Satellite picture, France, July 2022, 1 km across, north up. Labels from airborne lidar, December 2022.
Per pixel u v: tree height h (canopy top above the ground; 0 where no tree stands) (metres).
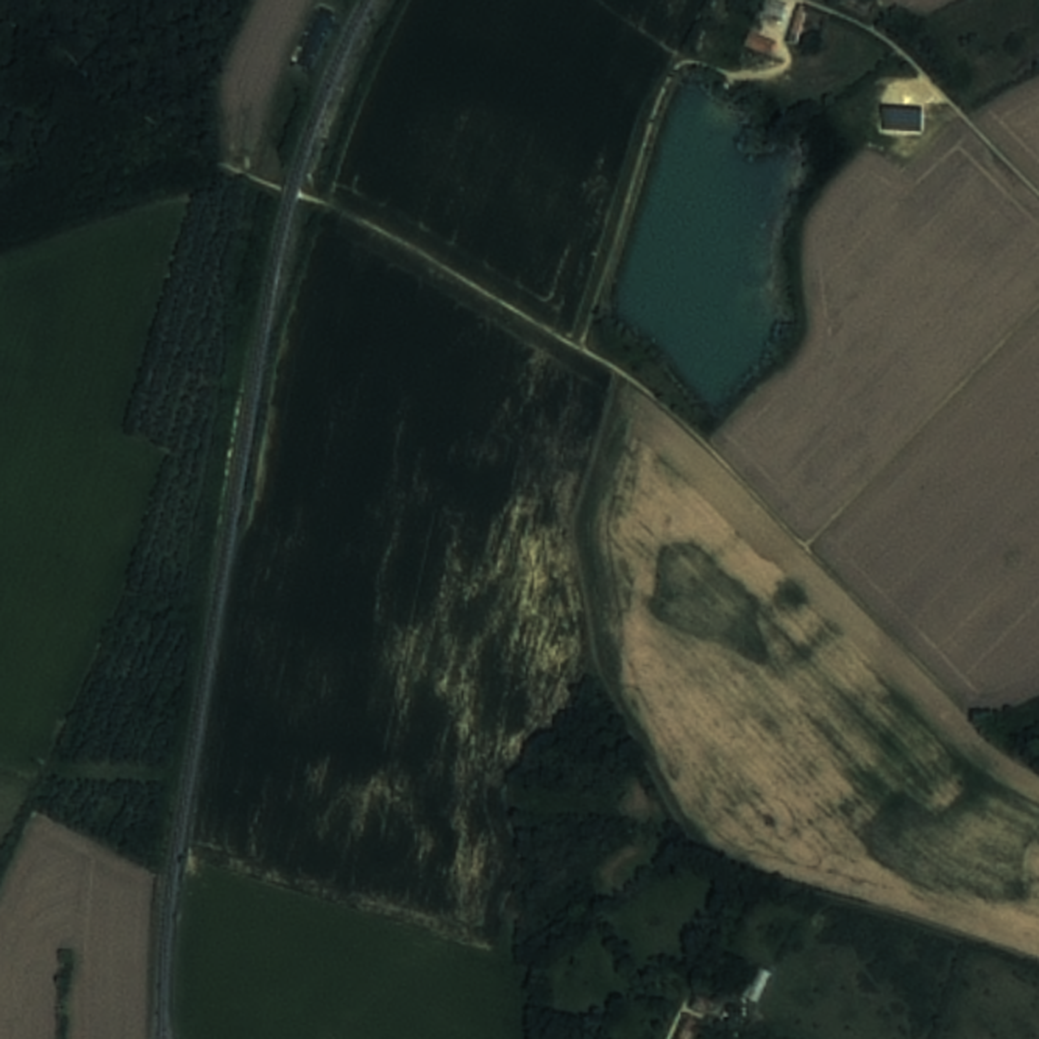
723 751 0
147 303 0
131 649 13
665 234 0
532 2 0
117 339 0
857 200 0
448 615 0
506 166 0
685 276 0
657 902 0
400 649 0
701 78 15
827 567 0
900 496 0
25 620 0
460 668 0
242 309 10
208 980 0
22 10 23
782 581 0
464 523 0
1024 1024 0
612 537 0
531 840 25
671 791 0
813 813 0
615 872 0
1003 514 0
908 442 0
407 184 0
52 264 0
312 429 0
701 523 0
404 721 0
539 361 0
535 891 18
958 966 8
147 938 0
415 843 0
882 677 0
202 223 11
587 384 0
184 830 0
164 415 9
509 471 0
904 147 0
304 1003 0
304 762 0
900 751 0
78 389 0
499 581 0
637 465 0
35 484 0
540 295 0
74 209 7
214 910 0
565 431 0
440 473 0
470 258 0
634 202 0
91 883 0
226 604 0
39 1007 0
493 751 0
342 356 0
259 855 0
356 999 0
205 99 18
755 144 22
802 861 0
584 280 0
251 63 0
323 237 0
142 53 25
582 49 0
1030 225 0
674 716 0
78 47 20
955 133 0
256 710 0
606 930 16
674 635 0
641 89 0
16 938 0
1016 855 0
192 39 22
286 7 0
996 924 0
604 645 0
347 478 0
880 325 0
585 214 0
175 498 10
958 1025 0
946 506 0
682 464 0
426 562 0
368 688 0
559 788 12
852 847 0
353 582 0
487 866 0
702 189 0
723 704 0
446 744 0
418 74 0
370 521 0
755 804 0
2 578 0
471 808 0
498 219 0
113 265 0
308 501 0
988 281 0
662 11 0
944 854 0
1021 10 0
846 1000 0
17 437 0
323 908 0
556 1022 23
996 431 0
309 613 0
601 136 0
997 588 0
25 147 22
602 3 0
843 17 7
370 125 0
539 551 0
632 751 25
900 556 0
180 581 13
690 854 31
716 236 0
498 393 0
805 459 0
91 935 0
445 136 0
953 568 0
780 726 0
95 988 0
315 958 0
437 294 0
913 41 6
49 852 0
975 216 0
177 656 15
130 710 13
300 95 7
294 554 0
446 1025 0
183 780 0
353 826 0
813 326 0
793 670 0
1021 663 0
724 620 0
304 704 0
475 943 0
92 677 8
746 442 0
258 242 9
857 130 0
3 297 0
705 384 0
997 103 0
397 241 0
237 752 0
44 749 0
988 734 29
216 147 15
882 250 0
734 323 0
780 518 0
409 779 0
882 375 0
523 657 0
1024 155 0
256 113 0
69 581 0
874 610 0
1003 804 0
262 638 0
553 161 0
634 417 0
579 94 0
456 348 0
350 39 0
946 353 0
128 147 7
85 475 0
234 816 0
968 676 0
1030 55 0
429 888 0
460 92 0
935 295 0
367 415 0
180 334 13
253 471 8
